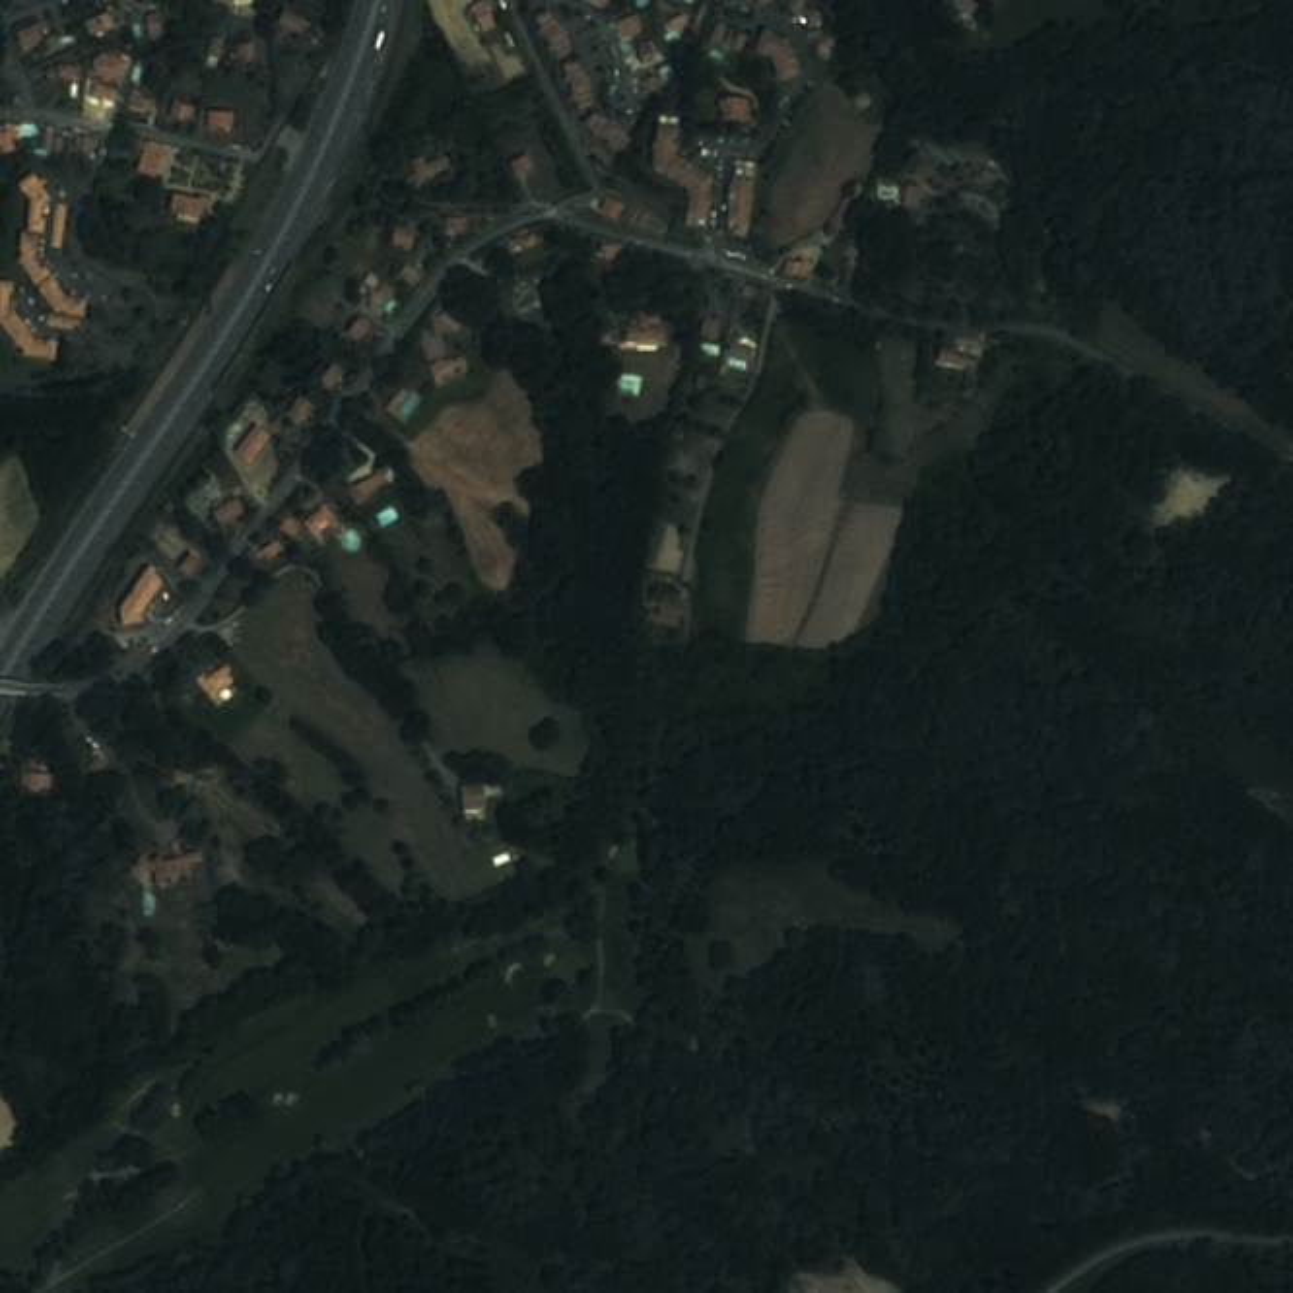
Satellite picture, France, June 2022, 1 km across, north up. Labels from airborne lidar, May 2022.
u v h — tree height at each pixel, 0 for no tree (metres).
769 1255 17
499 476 0
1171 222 22
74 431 12
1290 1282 19
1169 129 12
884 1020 20
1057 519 19
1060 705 24
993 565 16
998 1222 27
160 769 7
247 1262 18
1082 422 23
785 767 19
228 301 0
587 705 16
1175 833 27
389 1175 8
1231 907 8
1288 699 24
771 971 16
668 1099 19
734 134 8
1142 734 19
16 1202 0
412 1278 16
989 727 24
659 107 11
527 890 19
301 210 0
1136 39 19
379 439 24
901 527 7
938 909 16
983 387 6
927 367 9
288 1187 21
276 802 18
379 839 0
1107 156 14
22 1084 25
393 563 8
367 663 19
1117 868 24
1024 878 17
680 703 7
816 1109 22
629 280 22
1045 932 21
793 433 0
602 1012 0
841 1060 16
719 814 9
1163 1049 20
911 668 23
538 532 22
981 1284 8
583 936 19
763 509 0
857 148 0
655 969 13
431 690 0
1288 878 20
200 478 7
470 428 0
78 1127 20
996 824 22
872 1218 17
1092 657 19
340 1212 19
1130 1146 19
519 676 0
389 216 8
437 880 0
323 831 12
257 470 0
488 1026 0
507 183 6
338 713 0
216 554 12
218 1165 0
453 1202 12
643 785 8
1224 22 17
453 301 19
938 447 0
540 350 30
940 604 23
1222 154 22
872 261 21
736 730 12
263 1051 0
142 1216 0
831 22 10
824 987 15
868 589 0
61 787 9
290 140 0
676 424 24
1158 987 23
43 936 26
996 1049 29
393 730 0
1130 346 0
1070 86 9
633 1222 28
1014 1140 8
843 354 0
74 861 27
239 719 0
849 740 19
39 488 10
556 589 17
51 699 14
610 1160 23
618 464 31
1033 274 19
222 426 26
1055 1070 28
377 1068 0
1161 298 27
